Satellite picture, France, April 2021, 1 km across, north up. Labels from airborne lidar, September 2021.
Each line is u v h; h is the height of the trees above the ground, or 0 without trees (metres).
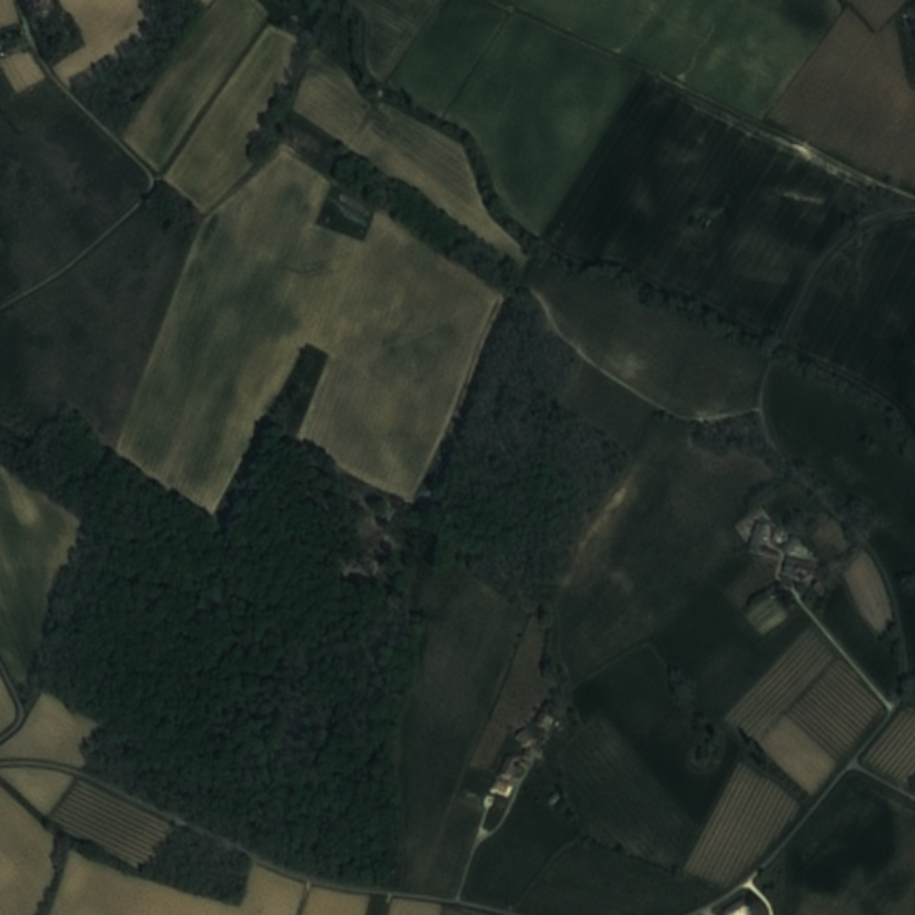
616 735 0
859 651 0
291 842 18
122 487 25
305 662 25
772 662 0
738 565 0
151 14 18
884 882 0
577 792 0
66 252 0
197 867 12
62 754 0
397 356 0
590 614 0
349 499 20
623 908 0
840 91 0
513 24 0
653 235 0
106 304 0
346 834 23
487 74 0
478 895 0
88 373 0
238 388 0
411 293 0
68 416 16
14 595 0
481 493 23
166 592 23
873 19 0
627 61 0
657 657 0
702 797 0
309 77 0
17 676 0
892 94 0
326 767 32
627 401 0
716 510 0
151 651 27
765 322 0
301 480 26
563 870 0
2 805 0
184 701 25
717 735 22
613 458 14
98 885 0
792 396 0
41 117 0
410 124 0
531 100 0
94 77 16
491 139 0
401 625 23
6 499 0
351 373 0
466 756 0
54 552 0
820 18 0
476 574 19
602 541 0
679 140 0
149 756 24
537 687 0
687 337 0
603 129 0
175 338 0
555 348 17
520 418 23
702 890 0
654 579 0
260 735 20
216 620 25
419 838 0
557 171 0
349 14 13
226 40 0
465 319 0
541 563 19
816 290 0
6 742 0
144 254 0
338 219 0
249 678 25
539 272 0
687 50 0
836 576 19
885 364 0
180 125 0
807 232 0
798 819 0
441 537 26
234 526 21
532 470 20
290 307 0
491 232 0
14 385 0
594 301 0
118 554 26
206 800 22
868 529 12
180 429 0
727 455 13
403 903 0
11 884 0
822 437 0
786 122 0
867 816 0
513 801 0
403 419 0
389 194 11
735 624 0
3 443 12
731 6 0
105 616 27
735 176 0
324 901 0
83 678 23
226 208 0
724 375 0
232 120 0
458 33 0
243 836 21
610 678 0
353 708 24
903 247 0
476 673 0
